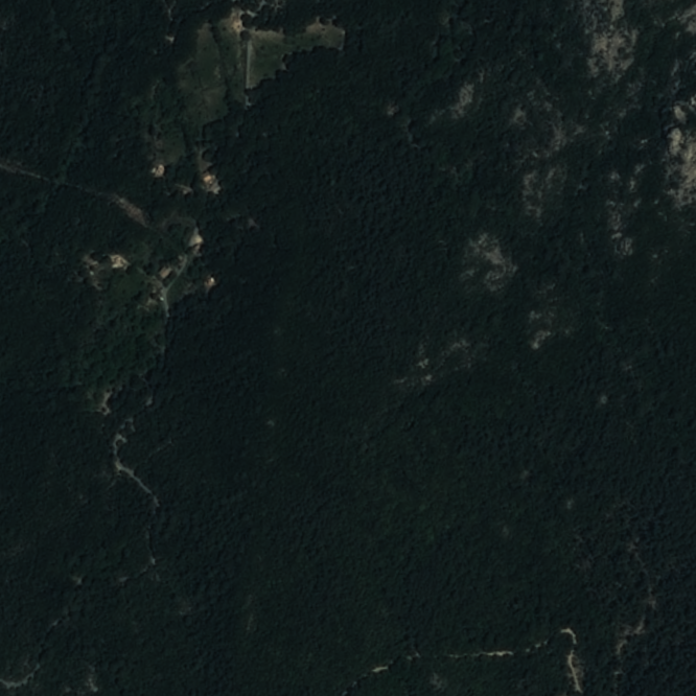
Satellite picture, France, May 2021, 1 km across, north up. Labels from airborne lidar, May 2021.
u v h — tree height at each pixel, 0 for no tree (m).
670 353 20
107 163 12
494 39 7
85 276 12
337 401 14
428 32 19
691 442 9
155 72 18
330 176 18
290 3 10
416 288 6
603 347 16
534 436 8
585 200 11
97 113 21
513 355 13
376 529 20
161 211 18
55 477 6
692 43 8
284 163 10
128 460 11
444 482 17
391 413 13
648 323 10
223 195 11
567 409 10
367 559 17
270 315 14
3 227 13
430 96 18
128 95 18
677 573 16
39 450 10
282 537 21
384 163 16
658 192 7
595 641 14
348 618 16
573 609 15
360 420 9
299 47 6
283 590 15
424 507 16
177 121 9
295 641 15
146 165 14
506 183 9
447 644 16
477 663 11
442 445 20
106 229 7
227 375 14
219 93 0
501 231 11
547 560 20
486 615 17
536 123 8
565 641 9
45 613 12
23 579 15
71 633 7
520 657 14
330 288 9
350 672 12
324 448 9
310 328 8
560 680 7
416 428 20
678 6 7
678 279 8
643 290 7
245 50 0
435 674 7
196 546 19
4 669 9
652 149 9
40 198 22
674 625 14
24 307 13
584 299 10
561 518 12
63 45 27
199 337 15
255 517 9
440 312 6
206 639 12
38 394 13
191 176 14
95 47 13
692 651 20
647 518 20
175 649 15
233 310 8
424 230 11
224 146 11
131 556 16
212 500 11
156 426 11
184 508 15
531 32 9
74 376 12
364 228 19
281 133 10
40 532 9
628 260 8
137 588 12
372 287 18
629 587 15
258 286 15
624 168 7
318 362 8
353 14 15
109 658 18
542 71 8
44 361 15
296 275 10
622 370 18
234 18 0
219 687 16
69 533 10
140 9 6
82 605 20
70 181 11
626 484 16
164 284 6
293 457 15
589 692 17
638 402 14
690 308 11
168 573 10
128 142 13
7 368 7
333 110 10
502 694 14
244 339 13
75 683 11
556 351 16
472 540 14
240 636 7
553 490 9
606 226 9
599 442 9
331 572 23
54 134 14
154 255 8
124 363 16
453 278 5
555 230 14
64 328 12
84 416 12
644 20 10
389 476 14
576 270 6
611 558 10
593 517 13
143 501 21
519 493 23
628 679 6
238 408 12
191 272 15
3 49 11
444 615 15
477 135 8
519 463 18
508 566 14
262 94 14
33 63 17
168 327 11
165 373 15
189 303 17
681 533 16
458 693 9
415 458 27
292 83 19
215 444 11
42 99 10
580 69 8
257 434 11
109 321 9
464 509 18
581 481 18
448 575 15
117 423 9
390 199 21
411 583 26
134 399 15
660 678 22
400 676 18
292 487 17
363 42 18
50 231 10
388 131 16
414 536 21
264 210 11
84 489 8
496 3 14
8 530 17
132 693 16
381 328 15
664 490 15
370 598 12
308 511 22
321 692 13
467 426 21
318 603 21
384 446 15
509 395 23
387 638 8
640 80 7
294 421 12
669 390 8
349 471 16
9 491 13
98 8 9
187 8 10
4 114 8
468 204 20
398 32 11
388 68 17
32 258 12
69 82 18
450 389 14
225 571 17
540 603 11
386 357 14
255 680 17
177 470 10
